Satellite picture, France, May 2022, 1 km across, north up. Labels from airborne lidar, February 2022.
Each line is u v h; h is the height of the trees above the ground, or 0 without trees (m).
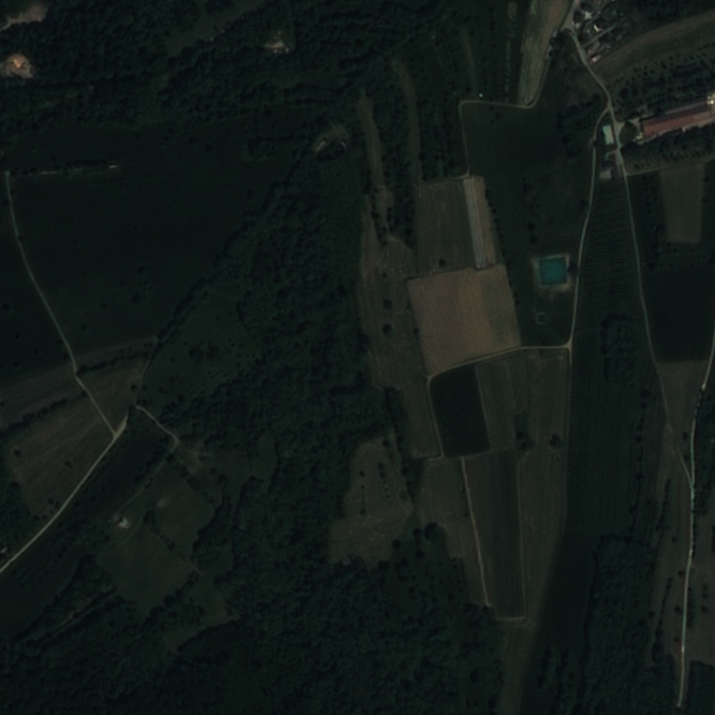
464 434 0
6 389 0
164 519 0
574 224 0
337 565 0
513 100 0
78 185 0
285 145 9
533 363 0
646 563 11
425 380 0
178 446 0
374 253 0
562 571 0
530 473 0
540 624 0
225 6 21
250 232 15
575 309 0
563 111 0
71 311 0
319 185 23
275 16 10
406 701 18
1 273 0
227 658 27
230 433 15
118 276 0
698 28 0
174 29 23
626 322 13
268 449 0
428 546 0
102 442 0
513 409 0
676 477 0
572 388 0
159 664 24
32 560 0
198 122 13
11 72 0
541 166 0
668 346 0
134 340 0
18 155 0
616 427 0
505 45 0
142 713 28
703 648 0
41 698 29
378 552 0
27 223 0
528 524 0
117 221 0
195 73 19
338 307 24
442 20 8
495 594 0
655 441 0
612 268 0
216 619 0
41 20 0
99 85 25
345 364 23
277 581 27
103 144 0
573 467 0
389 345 0
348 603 0
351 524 0
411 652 26
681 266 0
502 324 0
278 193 16
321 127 19
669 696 18
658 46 0
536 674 0
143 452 0
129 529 0
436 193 0
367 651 8
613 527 0
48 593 0
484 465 0
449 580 0
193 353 8
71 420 0
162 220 0
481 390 0
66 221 0
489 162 0
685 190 0
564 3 0
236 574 13
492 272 0
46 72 23
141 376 0
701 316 0
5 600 0
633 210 0
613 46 0
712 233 0
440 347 0
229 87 18
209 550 8
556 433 0
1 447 13
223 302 0
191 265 0
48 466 0
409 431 0
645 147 7
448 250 0
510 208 0
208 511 0
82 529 15
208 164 0
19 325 0
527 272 0
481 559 0
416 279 0
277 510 21
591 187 0
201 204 0
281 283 6
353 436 18
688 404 0
